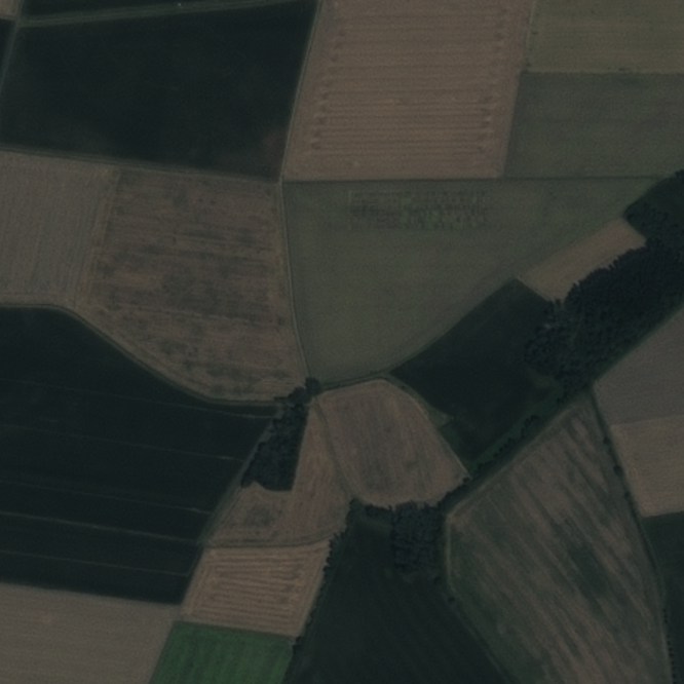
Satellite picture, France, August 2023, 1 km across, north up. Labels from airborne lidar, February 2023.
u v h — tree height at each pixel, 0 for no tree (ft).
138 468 0
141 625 0
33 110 0
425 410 0
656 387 0
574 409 0
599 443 0
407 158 0
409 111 0
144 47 0
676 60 0
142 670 0
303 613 0
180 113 0
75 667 0
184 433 0
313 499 0
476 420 0
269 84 0
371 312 0
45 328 0
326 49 0
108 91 0
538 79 0
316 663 0
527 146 0
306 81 0
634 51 0
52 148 0
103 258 0
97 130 0
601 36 0
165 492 0
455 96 0
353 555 0
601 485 0
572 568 0
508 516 0
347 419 0
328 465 0
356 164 0
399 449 0
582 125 0
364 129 0
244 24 0
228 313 0
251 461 0
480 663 0
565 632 0
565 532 0
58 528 0
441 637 0
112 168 0
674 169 0
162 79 0
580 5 0
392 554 0
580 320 27
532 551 0
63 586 0
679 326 0
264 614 0
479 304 0
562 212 0
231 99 0
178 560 0
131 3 0
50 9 0
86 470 0
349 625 0
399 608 0
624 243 0
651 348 0
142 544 0
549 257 0
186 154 0
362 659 0
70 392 0
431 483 0
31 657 0
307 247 0
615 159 0
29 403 0
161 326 0
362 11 0
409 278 0
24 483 0
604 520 0
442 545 84
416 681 0
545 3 0
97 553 0
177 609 0
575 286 0
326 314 0
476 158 0
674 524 0
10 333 0
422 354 0
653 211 20
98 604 0
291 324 0
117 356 0
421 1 0
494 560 0
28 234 0
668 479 0
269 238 0
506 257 0
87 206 0
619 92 0
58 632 0
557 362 87
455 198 0
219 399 0
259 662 0
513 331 0
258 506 0
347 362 0
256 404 0
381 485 0
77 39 0
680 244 26
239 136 0
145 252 0
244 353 0
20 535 0
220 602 0
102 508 0
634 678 0
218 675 0
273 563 0
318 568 0
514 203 0
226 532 0
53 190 0
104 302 0
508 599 0
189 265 0
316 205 0
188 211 0
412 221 0
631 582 0
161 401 0
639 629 0
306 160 0
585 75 0
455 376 0
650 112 0
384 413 0
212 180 0
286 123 0
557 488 0
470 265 0
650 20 0
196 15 0
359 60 0
